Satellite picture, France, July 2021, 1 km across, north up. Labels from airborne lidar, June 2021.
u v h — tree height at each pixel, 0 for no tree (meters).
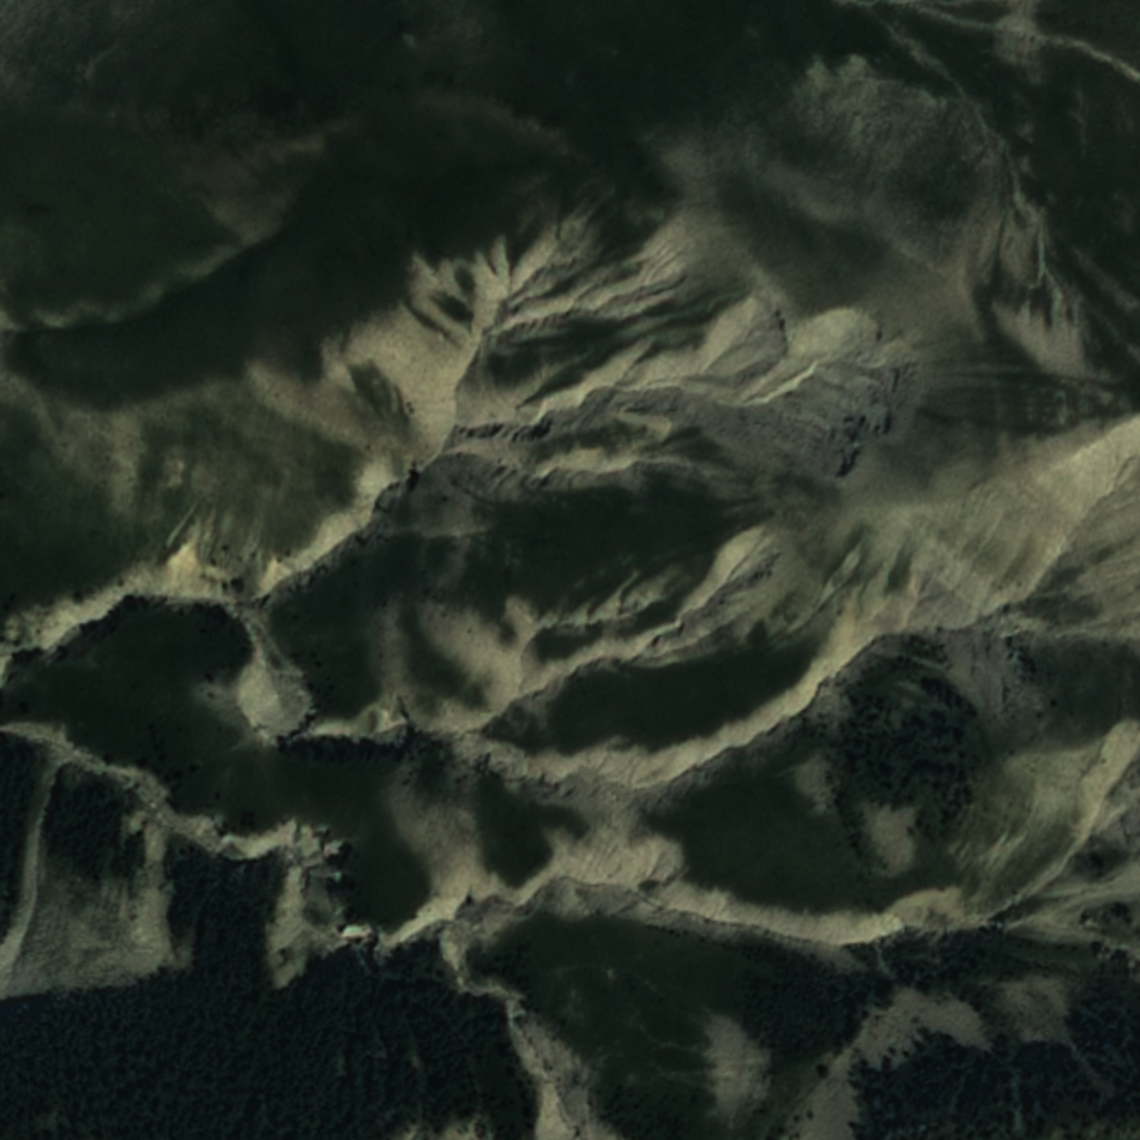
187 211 0
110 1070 26
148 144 0
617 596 0
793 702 0
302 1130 21
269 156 0
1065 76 0
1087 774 0
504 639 0
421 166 0
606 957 0
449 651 0
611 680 0
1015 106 0
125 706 0
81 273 0
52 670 0
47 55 0
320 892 0
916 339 0
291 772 0
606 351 0
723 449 0
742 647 0
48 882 0
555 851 0
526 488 0
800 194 0
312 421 0
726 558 0
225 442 0
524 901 0
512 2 0
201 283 0
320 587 0
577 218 0
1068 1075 10
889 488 0
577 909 0
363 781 0
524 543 0
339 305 0
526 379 0
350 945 0
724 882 0
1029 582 0
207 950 14
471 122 0
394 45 0
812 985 6
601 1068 0
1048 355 0
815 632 0
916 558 0
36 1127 13
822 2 0
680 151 0
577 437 0
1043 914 0
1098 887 0
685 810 0
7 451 0
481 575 0
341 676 0
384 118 0
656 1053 0
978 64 0
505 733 0
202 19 0
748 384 0
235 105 0
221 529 0
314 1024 23
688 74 0
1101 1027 11
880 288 0
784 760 0
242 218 0
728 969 0
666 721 0
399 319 0
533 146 0
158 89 0
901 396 0
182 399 0
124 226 0
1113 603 0
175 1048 15
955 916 0
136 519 0
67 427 0
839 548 0
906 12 0
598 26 0
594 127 0
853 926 0
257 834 0
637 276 0
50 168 0
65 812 18
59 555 0
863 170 0
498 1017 22
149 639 0
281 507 0
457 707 0
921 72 0
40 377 0
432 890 0
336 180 0
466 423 0
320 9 0
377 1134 11
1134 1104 9
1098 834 0
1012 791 0
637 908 0
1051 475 0
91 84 0
